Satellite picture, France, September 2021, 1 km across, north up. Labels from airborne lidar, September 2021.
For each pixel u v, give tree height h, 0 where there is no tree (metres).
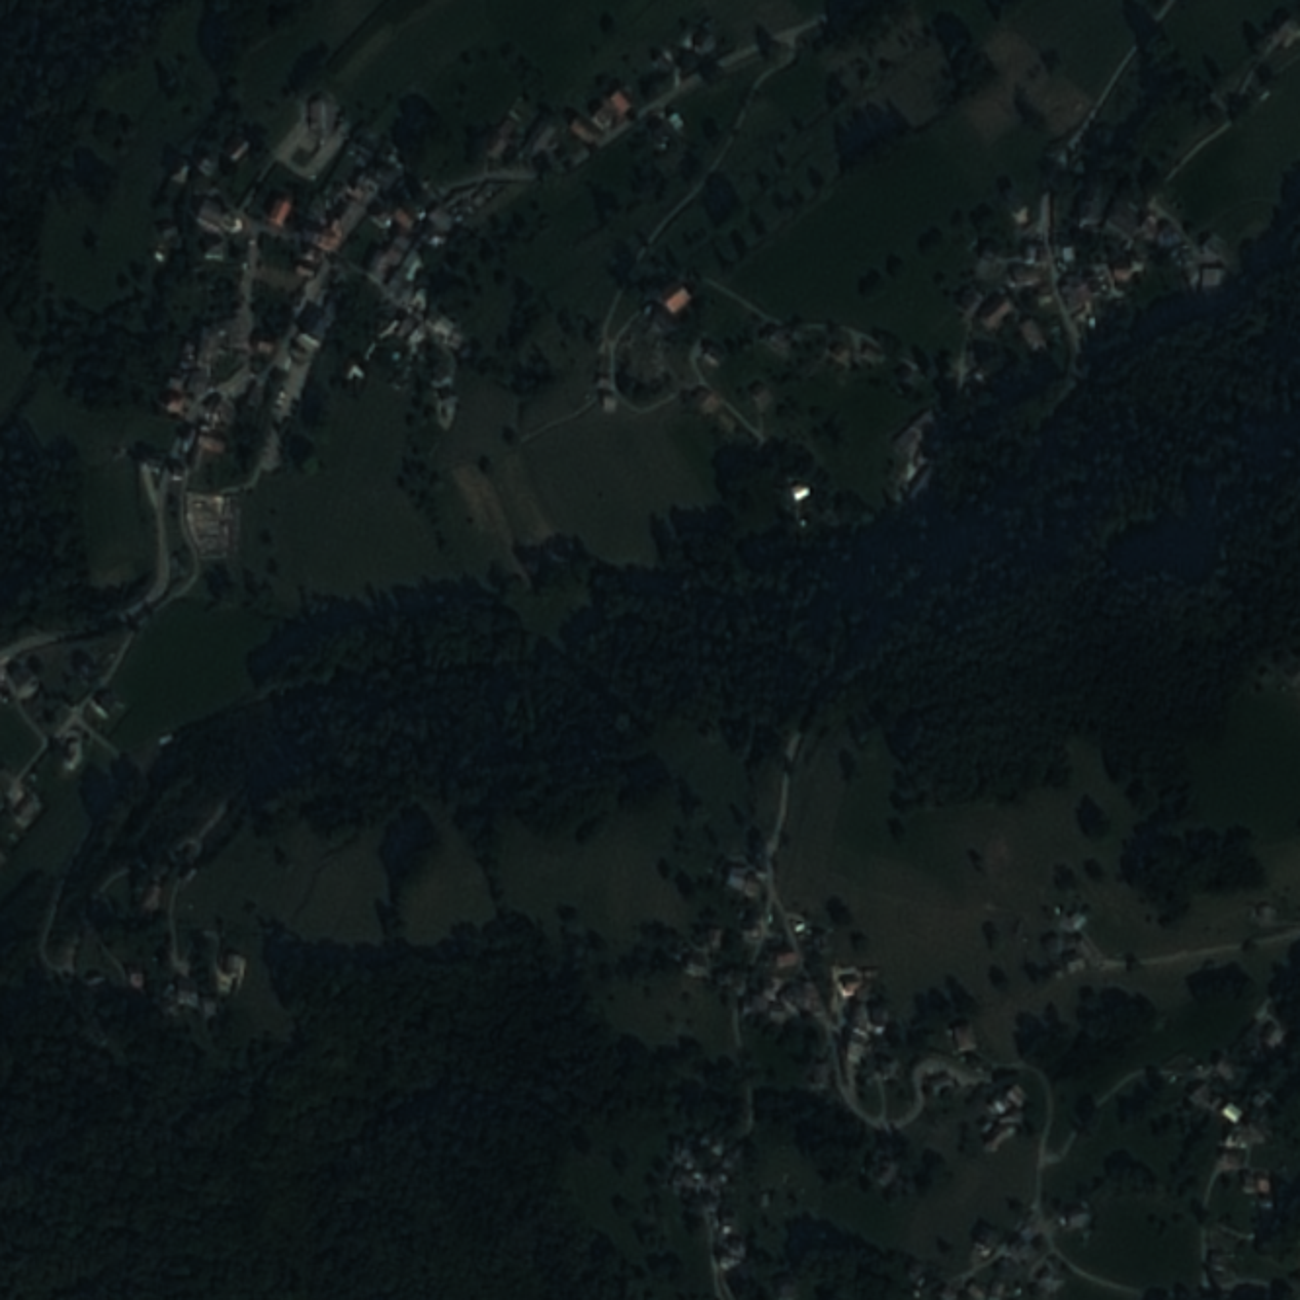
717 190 0
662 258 0
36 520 16
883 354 11
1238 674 24
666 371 0
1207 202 0
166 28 21
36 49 16
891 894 0
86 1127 25
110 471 0
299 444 0
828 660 23
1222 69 0
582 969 19
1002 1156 0
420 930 0
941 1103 9
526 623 0
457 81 0
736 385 0
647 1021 0
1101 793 0
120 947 18
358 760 16
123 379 15
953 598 22
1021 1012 0
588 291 0
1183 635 25
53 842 0
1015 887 0
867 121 0
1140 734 24
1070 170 6
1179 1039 0
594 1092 28
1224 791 0
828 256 0
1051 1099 0
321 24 0
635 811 20
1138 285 9
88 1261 29
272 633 0
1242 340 27
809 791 0
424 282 11
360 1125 29
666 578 0
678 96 0
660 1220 6
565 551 0
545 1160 29
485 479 7
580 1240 20
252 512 0
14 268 7
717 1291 0
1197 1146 12
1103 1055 11
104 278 0
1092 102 0
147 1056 23
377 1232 19
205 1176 19
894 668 25
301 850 0
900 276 11
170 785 11
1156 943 0
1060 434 16
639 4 0
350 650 32
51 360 12
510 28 0
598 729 11
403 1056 28
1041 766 25
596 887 0
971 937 0
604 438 0
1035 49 0
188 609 0
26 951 17
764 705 19
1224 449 26
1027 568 19
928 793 21
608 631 20
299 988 26
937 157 0
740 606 12
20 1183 25
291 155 0
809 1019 10
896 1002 0
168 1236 27
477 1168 26
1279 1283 0
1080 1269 0
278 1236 20
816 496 19
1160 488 12
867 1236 0
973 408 9
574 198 0
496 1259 25
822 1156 29
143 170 0
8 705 11
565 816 22
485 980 21
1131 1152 0
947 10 0
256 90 0
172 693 0
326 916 0
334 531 0
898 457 0
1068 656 27
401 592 0
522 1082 20
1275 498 32
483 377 13
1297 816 0
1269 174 0
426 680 18
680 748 0
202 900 0
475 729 14
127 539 0
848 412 0
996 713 26
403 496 8
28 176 27
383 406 0
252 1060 8
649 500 0
